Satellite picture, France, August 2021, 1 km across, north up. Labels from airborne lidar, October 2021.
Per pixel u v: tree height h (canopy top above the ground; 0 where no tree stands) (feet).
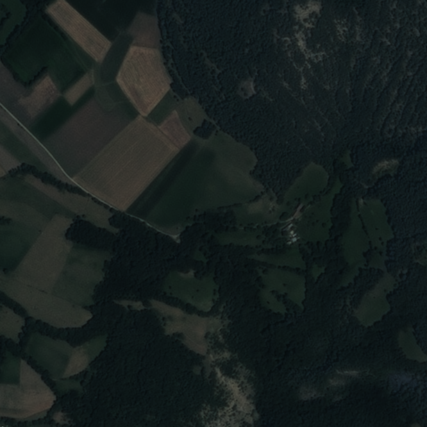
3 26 40
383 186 63
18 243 0
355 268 0
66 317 0
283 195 19
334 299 40
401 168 24
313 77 28
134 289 53
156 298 70
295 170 69
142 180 0
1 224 27
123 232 31
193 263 68
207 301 0
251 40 38
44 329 67
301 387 37
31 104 0
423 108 65
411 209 58
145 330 96
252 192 0
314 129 49
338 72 40
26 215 0
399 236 50
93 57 0
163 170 0
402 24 47
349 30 28
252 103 57
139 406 49
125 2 0
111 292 53
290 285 0
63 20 0
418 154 81
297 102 47
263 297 0
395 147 63
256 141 45
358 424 66
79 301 0
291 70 35
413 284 62
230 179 0
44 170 0
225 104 49
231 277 80
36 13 62
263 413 108
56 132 0
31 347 0
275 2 43
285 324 74
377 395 105
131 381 57
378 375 43
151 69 0
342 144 56
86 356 0
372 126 61
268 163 62
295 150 61
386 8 49
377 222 0
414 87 48
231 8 71
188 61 58
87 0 0
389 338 62
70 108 0
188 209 0
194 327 0
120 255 54
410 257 45
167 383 66
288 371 41
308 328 52
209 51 62
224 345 20
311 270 51
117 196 0
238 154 0
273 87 45
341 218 78
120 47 0
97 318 75
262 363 88
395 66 45
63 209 0
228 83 58
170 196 0
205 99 56
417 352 0
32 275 0
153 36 0
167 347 61
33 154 0
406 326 62
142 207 0
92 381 57
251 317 61
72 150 0
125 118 0
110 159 0
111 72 0
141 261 89
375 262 0
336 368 58
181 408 44
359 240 0
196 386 40
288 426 101
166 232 0
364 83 51
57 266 0
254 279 44
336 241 82
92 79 0
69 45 0
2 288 0
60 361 0
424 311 74
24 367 0
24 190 0
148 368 63
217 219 31
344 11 62
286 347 64
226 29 75
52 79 0
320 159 77
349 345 46
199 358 40
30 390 0
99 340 0
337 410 110
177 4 57
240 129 63
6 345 85
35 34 0
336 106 42
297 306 45
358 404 109
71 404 39
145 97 0
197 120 0
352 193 72
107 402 85
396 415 80
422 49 34
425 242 68
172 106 0
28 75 0
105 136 0
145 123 0
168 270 59
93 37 0
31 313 0
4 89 0
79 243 37
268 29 47
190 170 0
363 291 29
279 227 43
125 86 0
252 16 58
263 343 87
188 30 22
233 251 55
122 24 0
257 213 0
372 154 66
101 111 0
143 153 0
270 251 49
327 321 41
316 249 46
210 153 0
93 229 64
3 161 0
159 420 59
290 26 34
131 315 29
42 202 0
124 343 47
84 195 41
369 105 60
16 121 0
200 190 0
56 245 0
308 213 0
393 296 58
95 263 0
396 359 53
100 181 0
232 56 60
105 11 0
